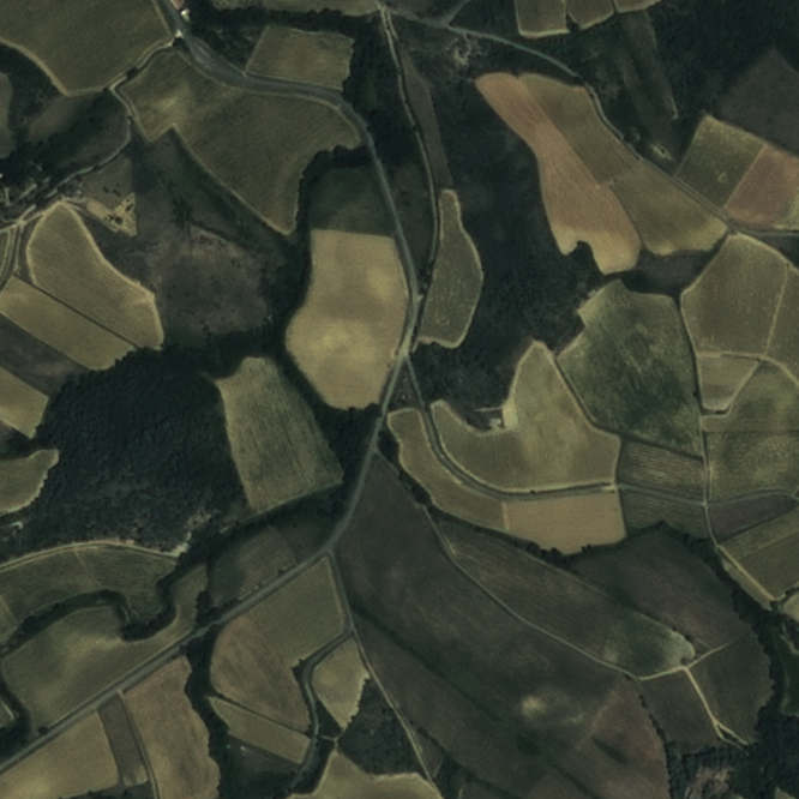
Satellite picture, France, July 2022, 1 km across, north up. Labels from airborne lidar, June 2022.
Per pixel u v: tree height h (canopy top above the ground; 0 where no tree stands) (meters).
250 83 0
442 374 6
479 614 0
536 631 0
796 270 0
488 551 0
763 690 0
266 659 0
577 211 0
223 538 13
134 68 10
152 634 12
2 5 0
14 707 9
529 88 0
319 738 8
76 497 11
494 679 0
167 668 0
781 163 0
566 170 0
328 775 0
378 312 0
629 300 0
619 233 0
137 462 14
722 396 0
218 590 0
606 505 0
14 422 0
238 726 0
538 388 0
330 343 0
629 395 0
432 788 0
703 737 0
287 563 0
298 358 0
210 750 8
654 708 0
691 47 8
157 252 0
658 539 0
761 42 6
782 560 0
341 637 0
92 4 0
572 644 0
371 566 0
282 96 0
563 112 0
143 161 0
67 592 0
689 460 0
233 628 0
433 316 0
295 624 0
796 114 0
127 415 10
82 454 14
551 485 0
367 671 0
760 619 16
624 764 0
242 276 0
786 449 0
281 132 0
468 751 0
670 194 0
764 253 0
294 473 0
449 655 0
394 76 6
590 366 0
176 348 18
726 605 0
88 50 0
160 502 10
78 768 0
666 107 0
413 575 0
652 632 0
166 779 0
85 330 0
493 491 0
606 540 0
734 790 8
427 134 0
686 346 0
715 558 10
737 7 11
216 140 0
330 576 0
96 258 0
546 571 0
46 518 8
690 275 0
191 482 20
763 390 0
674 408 0
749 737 0
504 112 0
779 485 0
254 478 0
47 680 0
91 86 0
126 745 0
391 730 6
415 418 0
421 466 0
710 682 0
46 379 0
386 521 0
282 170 0
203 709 13
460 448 0
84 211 0
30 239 0
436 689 0
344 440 17
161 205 0
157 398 11
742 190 0
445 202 0
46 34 0
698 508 0
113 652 0
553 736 0
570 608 0
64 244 0
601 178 0
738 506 0
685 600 0
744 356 0
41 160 15
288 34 0
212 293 0
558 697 0
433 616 0
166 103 0
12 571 0
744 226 0
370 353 0
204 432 7
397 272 0
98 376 14
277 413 0
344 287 0
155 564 0
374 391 0
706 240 0
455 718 0
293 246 8
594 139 0
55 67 0
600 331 0
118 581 0
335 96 0
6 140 0
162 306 0
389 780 0
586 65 8
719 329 0
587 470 0
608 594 0
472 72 10
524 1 0
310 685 0
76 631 0
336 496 15
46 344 0
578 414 0
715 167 0
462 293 0
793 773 9
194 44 0
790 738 12
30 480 0
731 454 0
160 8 0
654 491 0
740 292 0
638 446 0
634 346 0
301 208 8
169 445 14
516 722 0
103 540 0
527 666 0
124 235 0
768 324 0
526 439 0
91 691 0
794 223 0
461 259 0
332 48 0
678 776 19
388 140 24
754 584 0
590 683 0
